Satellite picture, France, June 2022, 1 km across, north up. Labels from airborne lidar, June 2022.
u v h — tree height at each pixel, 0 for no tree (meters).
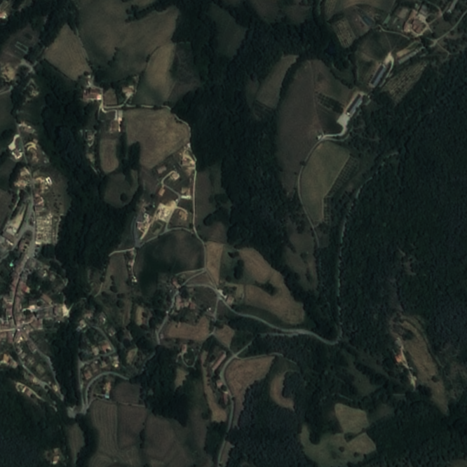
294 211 9
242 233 12
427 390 26
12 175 12
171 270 7
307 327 8
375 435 12
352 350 18
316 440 17
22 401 13
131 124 0
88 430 18
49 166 0
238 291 0
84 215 7
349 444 0
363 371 20
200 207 0
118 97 6
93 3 0
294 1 0
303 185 0
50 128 24
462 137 19
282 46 13
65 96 10
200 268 0
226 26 0
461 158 15
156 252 0
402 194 14
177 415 17
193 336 0
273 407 14
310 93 0
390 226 12
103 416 0
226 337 0
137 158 6
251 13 8
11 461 15
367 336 19
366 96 11
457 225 17
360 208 13
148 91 0
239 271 20
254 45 15
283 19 9
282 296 0
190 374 7
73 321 14
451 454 14
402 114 10
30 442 15
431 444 20
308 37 30
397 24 0
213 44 21
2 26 15
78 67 0
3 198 0
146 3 0
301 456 17
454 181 12
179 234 0
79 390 10
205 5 27
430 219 13
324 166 0
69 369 15
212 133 21
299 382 16
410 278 13
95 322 10
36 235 0
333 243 6
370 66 0
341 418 0
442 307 15
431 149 13
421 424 13
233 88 8
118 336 12
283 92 11
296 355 16
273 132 8
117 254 0
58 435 16
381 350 10
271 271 0
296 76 0
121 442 0
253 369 0
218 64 16
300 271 0
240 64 19
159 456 0
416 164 13
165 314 6
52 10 26
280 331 12
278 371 0
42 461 15
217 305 0
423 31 0
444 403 0
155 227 0
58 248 18
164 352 15
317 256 7
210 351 6
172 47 0
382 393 9
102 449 0
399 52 0
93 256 10
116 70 0
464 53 8
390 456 17
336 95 0
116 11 0
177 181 0
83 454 22
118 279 0
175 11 0
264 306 0
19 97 15
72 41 0
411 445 10
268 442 17
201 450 0
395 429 6
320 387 14
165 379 6
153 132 0
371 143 10
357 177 0
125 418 0
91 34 0
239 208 20
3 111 0
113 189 0
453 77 8
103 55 0
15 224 0
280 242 10
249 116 11
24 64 0
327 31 10
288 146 0
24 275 0
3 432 15
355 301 11
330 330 11
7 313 0
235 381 0
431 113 13
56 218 0
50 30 22
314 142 0
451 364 0
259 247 16
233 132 10
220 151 21
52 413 15
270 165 12
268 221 12
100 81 10
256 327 21
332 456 0
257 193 12
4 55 0
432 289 13
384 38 0
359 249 11
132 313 7
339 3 0
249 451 12
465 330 18
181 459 0
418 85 6
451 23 9
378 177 8
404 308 15
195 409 0
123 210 12
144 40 0
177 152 0
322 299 11
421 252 10
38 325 0
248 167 15
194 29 11
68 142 26
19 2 21
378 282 9
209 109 14
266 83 0
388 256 5
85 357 19
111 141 0
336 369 14
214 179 6
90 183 10
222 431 12
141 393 9
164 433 0
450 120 19
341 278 13
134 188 0
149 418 0
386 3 0
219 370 6
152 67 0
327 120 0
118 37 0
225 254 0
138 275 0
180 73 0
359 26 0
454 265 12
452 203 16
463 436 13
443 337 12
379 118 7
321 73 0
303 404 12
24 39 0
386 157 11
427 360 0
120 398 0
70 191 15
